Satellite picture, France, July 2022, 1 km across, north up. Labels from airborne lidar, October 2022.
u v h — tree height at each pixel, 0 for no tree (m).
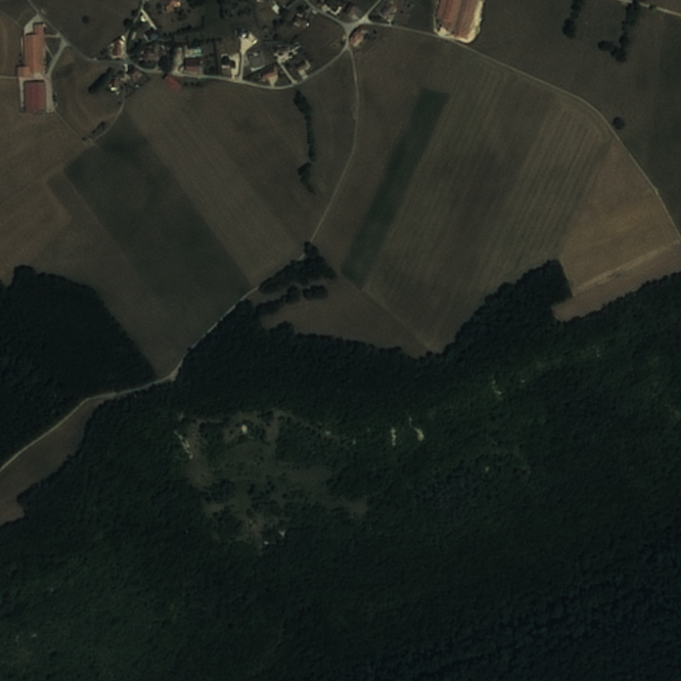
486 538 19
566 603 26
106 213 0
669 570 36
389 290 0
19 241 0
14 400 14
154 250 0
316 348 18
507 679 27
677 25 0
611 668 25
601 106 0
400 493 10
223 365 14
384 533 14
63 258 0
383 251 0
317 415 13
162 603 9
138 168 0
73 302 12
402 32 0
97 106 0
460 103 0
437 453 14
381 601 14
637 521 24
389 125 0
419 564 19
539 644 31
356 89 0
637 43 0
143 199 0
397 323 0
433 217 0
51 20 0
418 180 0
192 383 13
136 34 0
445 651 20
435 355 13
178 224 0
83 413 0
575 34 12
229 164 0
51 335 12
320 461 6
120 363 9
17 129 0
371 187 0
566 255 0
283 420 8
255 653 15
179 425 13
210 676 25
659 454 14
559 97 0
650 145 0
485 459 11
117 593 7
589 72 0
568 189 0
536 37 0
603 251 0
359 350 22
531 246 0
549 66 0
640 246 0
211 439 11
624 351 7
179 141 0
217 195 0
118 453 14
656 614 26
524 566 16
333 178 0
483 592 23
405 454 7
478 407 7
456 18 0
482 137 0
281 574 13
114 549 14
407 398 17
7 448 16
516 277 0
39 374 17
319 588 15
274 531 6
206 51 0
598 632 26
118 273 0
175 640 6
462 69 0
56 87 0
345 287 0
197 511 16
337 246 0
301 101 17
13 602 24
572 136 0
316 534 17
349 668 10
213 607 18
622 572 19
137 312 0
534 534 20
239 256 0
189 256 0
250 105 0
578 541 19
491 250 0
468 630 22
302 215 0
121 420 18
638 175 0
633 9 11
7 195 0
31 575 17
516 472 16
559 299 18
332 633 18
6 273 0
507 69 0
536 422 11
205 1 10
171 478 13
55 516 16
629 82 0
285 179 0
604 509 22
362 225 0
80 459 14
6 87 0
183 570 18
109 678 7
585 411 9
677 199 0
